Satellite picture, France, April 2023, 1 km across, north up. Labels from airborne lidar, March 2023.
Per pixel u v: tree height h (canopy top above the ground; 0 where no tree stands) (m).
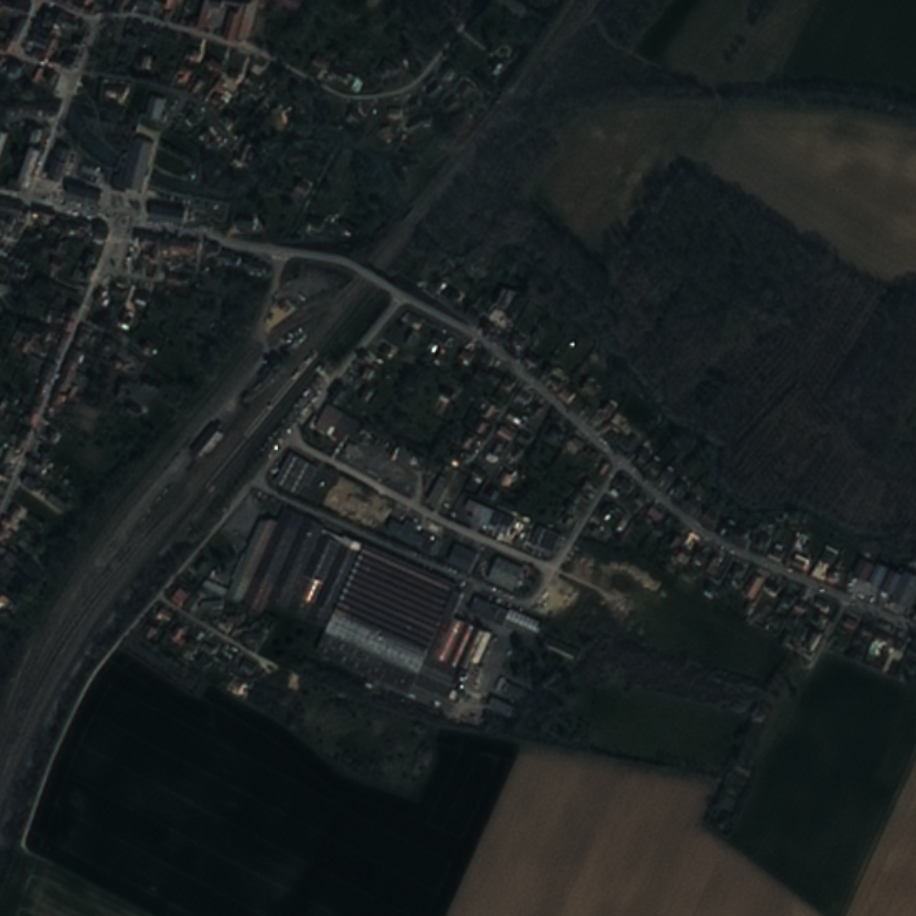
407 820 0
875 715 0
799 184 0
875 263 0
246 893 0
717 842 0
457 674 0
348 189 0
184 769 0
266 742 0
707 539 0
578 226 0
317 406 0
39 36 0
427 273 0
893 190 0
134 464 14
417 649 0
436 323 0
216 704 0
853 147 0
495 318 0
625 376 20
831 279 20
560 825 0
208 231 0
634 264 23
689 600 0
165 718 0
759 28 16
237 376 0
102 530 0
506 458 0
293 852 0
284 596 0
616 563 0
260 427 0
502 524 0
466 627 0
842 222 0
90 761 0
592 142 0
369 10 0
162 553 0
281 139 9
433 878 0
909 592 0
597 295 32
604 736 0
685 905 0
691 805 0
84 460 0
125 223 0
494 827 0
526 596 6
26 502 0
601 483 0
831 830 0
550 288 32
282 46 0
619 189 0
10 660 16
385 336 0
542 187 0
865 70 0
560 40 0
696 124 0
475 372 0
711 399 11
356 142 16
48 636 0
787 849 0
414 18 31
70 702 10
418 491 0
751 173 0
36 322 7
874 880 0
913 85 0
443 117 0
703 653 0
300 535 0
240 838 0
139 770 0
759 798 0
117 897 0
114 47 7
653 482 0
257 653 0
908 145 0
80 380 0
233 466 0
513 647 10
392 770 0
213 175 15
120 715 0
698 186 27
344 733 0
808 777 0
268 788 0
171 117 0
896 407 26
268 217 11
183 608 0
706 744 0
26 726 0
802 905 0
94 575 0
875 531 12
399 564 0
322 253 0
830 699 0
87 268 0
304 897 0
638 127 0
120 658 0
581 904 0
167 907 0
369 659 0
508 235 25
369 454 0
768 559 0
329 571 0
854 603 0
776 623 8
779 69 0
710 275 21
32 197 0
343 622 0
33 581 18
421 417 0
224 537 0
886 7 0
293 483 0
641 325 34
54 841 0
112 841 0
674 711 0
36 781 10
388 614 0
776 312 33
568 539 0
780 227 24
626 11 27
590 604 0
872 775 0
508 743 0
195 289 10
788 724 0
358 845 0
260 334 0
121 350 14
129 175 0
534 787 0
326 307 0
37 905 0
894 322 27
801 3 0
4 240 0
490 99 9
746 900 0
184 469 0
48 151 0
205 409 0
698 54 0
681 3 0
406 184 31
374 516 0
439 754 0
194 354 9
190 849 0
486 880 0
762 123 0
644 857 0
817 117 0
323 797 0
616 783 0
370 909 0
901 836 0
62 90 0
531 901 0
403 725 0
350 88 0
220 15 0
